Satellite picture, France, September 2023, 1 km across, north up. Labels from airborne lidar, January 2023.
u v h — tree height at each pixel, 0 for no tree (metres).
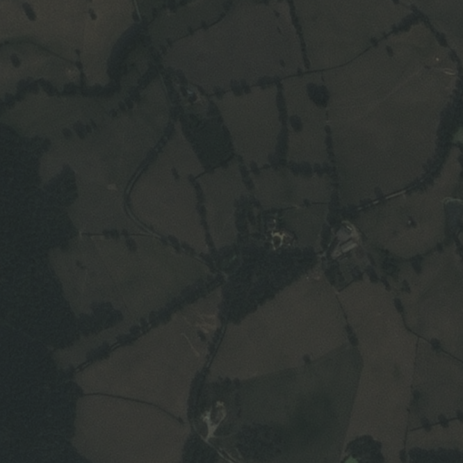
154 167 0
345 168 0
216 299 0
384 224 0
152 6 0
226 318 17
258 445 14
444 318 0
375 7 0
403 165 0
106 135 0
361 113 0
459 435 0
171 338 0
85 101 0
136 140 0
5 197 23
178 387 0
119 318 14
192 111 0
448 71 0
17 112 0
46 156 0
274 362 0
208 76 0
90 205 0
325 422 0
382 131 0
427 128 0
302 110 0
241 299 20
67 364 0
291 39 0
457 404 0
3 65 0
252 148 0
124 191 0
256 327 0
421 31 0
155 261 0
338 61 0
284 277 23
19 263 8
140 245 0
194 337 0
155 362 0
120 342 13
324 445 0
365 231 0
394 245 0
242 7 0
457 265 0
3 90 0
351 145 0
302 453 0
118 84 20
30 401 26
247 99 0
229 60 0
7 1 0
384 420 0
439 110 0
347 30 0
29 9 18
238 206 15
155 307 0
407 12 0
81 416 0
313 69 0
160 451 0
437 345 18
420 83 0
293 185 0
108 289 0
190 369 0
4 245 17
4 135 20
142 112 0
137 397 0
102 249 0
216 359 0
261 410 0
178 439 0
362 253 0
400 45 0
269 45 0
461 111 16
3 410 23
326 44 0
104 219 0
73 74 0
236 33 0
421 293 0
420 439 0
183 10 0
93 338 0
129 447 0
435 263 0
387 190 0
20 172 24
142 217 0
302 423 0
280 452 15
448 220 0
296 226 0
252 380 0
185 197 0
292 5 9
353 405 0
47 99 0
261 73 0
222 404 0
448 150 15
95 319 11
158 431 0
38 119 0
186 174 0
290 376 0
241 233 11
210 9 0
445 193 0
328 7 0
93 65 0
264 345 0
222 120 13
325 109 0
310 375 0
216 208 0
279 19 0
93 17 12
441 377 0
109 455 0
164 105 0
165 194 0
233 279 20
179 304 17
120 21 0
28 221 22
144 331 11
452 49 0
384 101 0
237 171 0
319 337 0
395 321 0
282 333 0
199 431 11
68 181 11
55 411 23
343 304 0
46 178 0
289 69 0
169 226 0
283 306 0
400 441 0
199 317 0
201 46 0
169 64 0
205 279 0
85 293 0
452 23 0
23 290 21
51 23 0
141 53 0
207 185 0
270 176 0
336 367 0
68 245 12
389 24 0
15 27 0
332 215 15
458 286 0
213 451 10
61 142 0
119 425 0
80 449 0
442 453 9
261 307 0
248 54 0
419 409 0
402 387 0
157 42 0
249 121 0
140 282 0
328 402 0
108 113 0
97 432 0
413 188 14
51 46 0
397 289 0
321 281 0
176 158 0
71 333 23
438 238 0
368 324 0
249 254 17
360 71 0
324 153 0
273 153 0
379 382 0
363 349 0
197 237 0
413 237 0
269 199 0
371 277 22
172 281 0
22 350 26
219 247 0
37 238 22
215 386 12
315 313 0
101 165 0
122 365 0
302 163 0
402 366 0
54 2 0
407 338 0
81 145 0
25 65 0
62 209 12
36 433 16
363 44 0
